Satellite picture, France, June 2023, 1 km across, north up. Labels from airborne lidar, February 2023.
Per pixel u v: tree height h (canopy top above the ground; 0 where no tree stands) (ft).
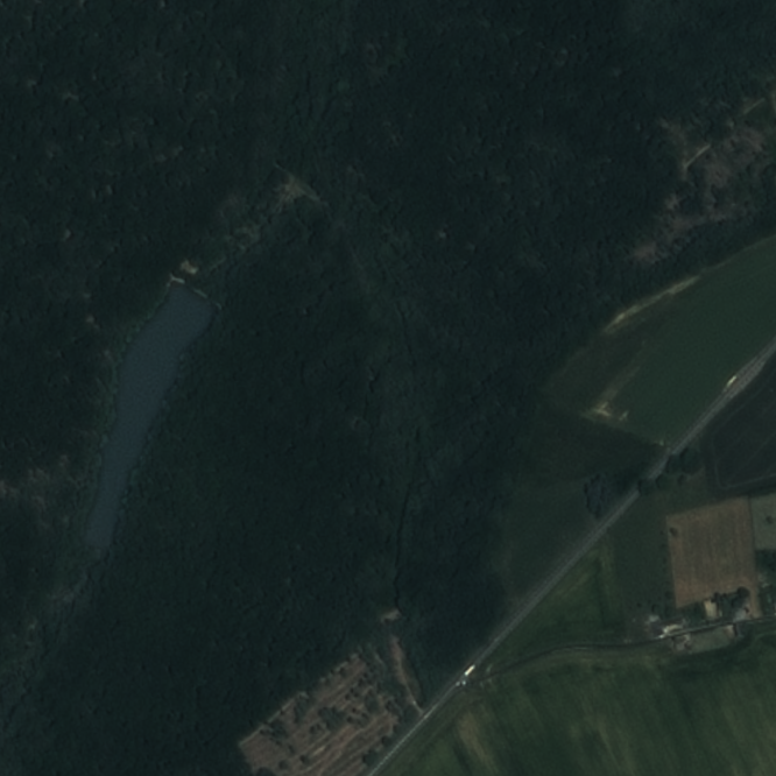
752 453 0
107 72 94
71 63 84
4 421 76
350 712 68
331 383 92
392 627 77
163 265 74
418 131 56
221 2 93
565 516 0
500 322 70
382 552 78
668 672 0
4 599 87
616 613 0
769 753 0
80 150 94
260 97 62
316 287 81
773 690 0
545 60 59
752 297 0
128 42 105
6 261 90
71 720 73
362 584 81
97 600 67
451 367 61
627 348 0
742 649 0
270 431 68
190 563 65
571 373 0
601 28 73
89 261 84
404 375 86
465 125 74
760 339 0
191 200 78
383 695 64
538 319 75
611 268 43
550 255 71
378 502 74
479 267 70
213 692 74
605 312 73
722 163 0
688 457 56
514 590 0
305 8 60
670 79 65
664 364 0
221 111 89
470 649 75
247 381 70
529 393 60
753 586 0
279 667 82
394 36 32
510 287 68
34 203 89
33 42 93
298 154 79
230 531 72
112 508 0
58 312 90
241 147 77
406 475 65
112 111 92
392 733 45
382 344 82
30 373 81
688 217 65
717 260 51
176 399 55
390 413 84
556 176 70
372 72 35
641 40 84
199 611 68
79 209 85
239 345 71
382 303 87
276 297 71
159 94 96
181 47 93
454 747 0
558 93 53
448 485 65
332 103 26
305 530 73
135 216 72
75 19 95
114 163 88
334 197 79
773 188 58
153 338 0
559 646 0
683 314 0
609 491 76
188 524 57
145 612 49
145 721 84
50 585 59
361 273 73
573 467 0
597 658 0
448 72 74
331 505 82
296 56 46
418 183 56
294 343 89
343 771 59
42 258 79
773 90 50
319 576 76
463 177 68
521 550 0
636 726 0
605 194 74
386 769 0
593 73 60
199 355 46
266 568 77
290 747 24
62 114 83
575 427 0
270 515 76
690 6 77
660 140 66
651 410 0
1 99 89
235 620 72
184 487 57
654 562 0
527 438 35
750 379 0
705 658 0
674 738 0
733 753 0
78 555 33
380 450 76
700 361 0
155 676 76
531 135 61
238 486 72
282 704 71
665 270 70
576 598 0
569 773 0
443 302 79
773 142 0
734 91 85
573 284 74
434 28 52
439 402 79
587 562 0
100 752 80
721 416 0
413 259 70
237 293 51
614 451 0
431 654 75
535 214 76
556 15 65
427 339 78
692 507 0
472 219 65
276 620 76
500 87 72
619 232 90
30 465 66
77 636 66
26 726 76
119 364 33
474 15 60
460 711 0
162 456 51
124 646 69
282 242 52
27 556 83
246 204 73
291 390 75
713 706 0
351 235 79
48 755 52
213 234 62
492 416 73
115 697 84
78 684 68
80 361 75
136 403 0
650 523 0
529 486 0
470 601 80
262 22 65
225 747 76
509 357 84
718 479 0
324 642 84
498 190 66
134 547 46
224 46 89
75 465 62
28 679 65
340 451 77
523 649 0
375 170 58
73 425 76
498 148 64
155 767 75
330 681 70
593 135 52
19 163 47
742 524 0
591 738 0
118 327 67
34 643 58
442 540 31
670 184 78
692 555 0
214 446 70
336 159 45
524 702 0
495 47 62
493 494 78
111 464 0
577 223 83
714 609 0
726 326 0
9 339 75
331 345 87
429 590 72
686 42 85
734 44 84
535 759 0
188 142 83
